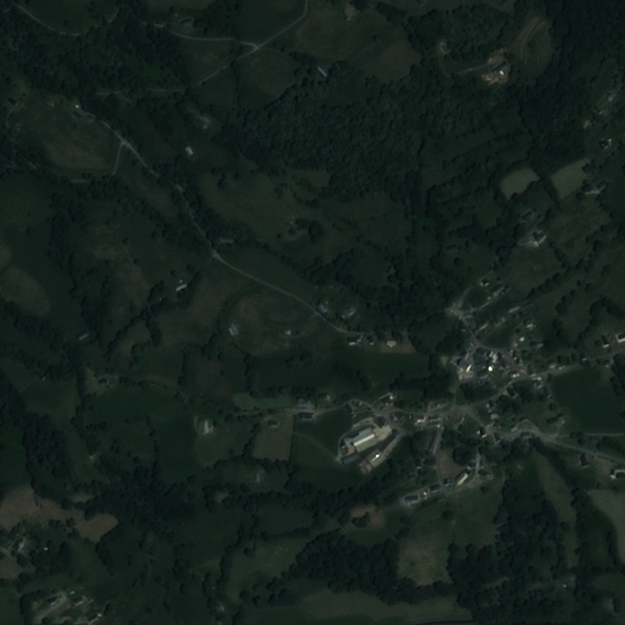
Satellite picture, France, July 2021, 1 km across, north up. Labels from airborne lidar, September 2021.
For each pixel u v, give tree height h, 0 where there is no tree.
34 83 10
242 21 0
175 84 13
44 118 0
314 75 19
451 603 0
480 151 14
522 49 0
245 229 14
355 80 21
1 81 0
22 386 0
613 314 19
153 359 0
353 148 19
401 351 0
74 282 7
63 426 0
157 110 11
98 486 19
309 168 22
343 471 0
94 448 11
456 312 0
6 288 0
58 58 6
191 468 0
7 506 0
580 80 18
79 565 0
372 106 16
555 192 17
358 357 0
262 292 0
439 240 12
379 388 0
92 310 17
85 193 17
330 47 0
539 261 0
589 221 0
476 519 0
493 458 16
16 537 10
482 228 19
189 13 7
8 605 0
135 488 18
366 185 19
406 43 0
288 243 0
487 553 23
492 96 10
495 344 0
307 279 11
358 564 21
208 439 0
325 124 15
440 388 5
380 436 0
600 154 0
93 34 14
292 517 0
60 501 8
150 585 0
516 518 15
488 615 19
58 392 0
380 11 14
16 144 7
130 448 0
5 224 0
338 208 0
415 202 26
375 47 0
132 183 0
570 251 0
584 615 8
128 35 15
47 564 9
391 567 20
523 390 12
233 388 0
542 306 0
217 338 12
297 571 22
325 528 0
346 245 0
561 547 15
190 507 24
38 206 0
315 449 0
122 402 0
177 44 8
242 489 11
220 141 10
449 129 23
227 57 0
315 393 14
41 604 0
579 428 0
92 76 9
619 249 0
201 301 0
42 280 0
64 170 0
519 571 15
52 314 0
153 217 13
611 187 9
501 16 21
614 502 0
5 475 0
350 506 22
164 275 0
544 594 10
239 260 0
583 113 20
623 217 9
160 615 0
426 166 14
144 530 6
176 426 0
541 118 12
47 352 0
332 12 0
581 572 24
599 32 11
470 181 21
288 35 0
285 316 0
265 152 21
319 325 0
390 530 0
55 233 17
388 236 0
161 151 0
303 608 0
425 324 19
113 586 0
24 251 0
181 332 0
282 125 20
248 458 14
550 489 0
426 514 0
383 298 21
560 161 7
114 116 14
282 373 0
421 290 18
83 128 0
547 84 12
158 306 11
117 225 0
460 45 12
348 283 17
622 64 14
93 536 0
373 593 12
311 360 17
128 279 0
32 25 9
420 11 0
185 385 22
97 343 11
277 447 0
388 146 19
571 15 22
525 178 0
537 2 11
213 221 18
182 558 20
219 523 0
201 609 0
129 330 13
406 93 20
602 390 0
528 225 8
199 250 14
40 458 15
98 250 0
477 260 0
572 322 0
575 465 0
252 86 0
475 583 15
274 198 0
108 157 0
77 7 0
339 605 0
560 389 0
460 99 12
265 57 0
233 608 0
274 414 9
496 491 0
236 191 0
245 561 0
